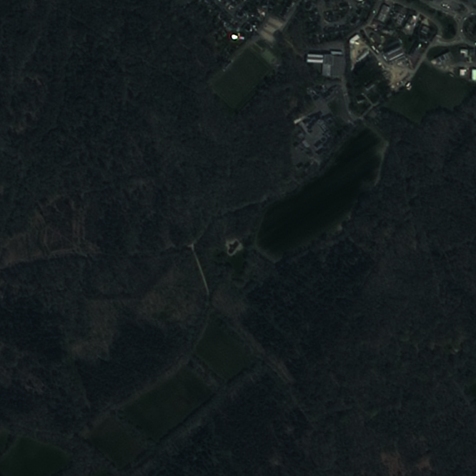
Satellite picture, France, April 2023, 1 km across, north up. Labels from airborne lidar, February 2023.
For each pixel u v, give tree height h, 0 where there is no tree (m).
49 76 18
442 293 12
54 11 12
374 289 16
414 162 21
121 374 17
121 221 21
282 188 19
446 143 18
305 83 14
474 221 14
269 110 13
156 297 9
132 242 13
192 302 9
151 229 23
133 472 12
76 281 11
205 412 10
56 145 13
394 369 16
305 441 16
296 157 0
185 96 16
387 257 15
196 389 0
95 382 15
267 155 15
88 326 10
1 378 10
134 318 13
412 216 12
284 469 9
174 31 14
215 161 17
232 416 21
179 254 14
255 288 16
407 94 0
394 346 15
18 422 15
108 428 0
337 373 13
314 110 0
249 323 16
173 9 17
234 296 12
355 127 12
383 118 15
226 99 0
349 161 0
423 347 16
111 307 15
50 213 17
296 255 14
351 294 16
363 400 15
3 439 0
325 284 15
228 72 0
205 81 17
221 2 0
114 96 20
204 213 12
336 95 0
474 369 14
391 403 16
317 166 9
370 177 0
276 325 12
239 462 20
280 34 13
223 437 20
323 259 11
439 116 17
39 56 24
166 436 8
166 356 15
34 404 20
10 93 13
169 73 10
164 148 15
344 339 14
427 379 15
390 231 13
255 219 14
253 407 20
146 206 8
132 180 15
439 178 15
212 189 14
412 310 13
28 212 16
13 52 23
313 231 0
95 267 20
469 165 19
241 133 15
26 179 14
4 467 0
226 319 12
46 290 7
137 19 24
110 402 11
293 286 14
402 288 18
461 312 17
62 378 12
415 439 13
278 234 0
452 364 20
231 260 0
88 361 13
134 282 13
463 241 13
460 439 13
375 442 14
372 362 14
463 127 22
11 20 18
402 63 0
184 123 17
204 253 13
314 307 17
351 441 23
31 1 12
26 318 17
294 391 14
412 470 11
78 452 14
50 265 11
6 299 18
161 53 18
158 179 15
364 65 14
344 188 0
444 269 21
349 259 16
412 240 14
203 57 17
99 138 19
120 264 14
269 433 19
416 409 16
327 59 0
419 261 15
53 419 16
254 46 0
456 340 16
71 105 21
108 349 11
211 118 14
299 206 0
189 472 15
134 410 0
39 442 7
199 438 18
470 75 0
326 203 0
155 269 11
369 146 0
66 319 12
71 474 17
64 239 0
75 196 11
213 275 14
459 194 15
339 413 18
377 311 17
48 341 21
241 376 12
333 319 16
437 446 14
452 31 11
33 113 6
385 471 15
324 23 0
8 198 16
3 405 22
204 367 11
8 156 16
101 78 20
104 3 15
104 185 13
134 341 19
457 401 22
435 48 0
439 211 13
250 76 0
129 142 9
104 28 24
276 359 12
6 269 9
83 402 14
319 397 13
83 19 13
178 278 9
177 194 14
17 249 0
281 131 15
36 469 0
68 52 20
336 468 16
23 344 21
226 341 0
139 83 16
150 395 0
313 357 17
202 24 12
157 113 17
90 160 16
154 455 12
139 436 11
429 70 0
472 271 16
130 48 21
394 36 0
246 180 16
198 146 11
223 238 16
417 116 0
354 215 19
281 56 7
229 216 20
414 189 15
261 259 14
